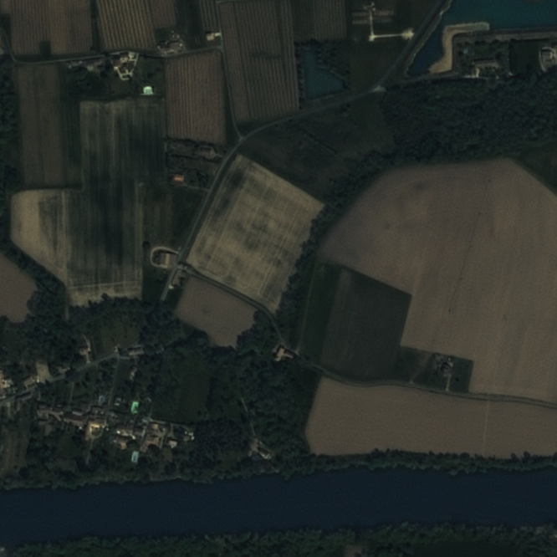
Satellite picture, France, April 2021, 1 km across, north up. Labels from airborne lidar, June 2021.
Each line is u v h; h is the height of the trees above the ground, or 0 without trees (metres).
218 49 0
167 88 0
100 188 0
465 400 0
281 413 32
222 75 0
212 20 0
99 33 0
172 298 0
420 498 0
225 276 0
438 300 0
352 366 0
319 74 0
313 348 0
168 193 0
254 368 19
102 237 0
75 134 0
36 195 0
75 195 0
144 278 0
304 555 8
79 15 0
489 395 0
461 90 18
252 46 0
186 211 0
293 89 0
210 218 0
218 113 0
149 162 0
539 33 0
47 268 0
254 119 0
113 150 0
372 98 0
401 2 0
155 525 0
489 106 24
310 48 10
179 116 0
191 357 25
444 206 0
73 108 0
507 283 0
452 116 24
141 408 9
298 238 0
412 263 0
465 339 0
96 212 0
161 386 26
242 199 0
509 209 0
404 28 0
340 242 0
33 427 6
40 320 16
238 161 0
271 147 0
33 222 0
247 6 0
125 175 0
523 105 26
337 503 0
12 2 0
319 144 8
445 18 0
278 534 16
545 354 0
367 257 0
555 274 0
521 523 0
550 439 0
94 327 7
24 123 0
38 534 0
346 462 12
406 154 8
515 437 0
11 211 0
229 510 0
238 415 0
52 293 28
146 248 8
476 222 0
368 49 0
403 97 8
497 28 0
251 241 0
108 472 32
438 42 0
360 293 0
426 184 0
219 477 20
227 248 0
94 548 13
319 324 0
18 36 0
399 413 0
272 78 0
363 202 0
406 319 0
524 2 0
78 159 0
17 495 0
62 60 0
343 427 0
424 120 9
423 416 0
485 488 0
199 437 12
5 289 0
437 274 0
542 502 0
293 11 0
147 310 13
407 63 0
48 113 0
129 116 0
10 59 14
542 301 0
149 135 0
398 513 0
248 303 0
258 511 0
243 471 21
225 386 26
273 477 0
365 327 0
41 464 9
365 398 0
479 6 0
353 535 12
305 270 17
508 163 0
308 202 0
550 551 26
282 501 0
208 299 0
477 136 31
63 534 0
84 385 9
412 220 0
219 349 0
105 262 0
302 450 6
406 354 0
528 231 0
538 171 0
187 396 0
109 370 9
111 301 16
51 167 0
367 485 0
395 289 0
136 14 0
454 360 9
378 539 14
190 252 0
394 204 0
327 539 14
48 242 0
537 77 29
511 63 9
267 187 0
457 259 0
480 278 0
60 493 0
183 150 0
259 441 10
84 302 0
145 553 17
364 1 0
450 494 0
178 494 0
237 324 0
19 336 15
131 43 0
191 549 17
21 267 12
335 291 0
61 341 7
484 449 0
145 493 0
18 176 19
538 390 0
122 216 0
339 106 0
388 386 0
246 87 0
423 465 23
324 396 0
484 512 0
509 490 0
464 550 0
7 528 0
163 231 0
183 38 0
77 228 0
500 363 0
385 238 0
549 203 0
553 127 21
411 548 17
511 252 0
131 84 13
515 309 0
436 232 0
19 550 12
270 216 0
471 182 0
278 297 0
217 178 0
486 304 0
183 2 0
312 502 0
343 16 0
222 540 7
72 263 0
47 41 0
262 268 0
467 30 0
